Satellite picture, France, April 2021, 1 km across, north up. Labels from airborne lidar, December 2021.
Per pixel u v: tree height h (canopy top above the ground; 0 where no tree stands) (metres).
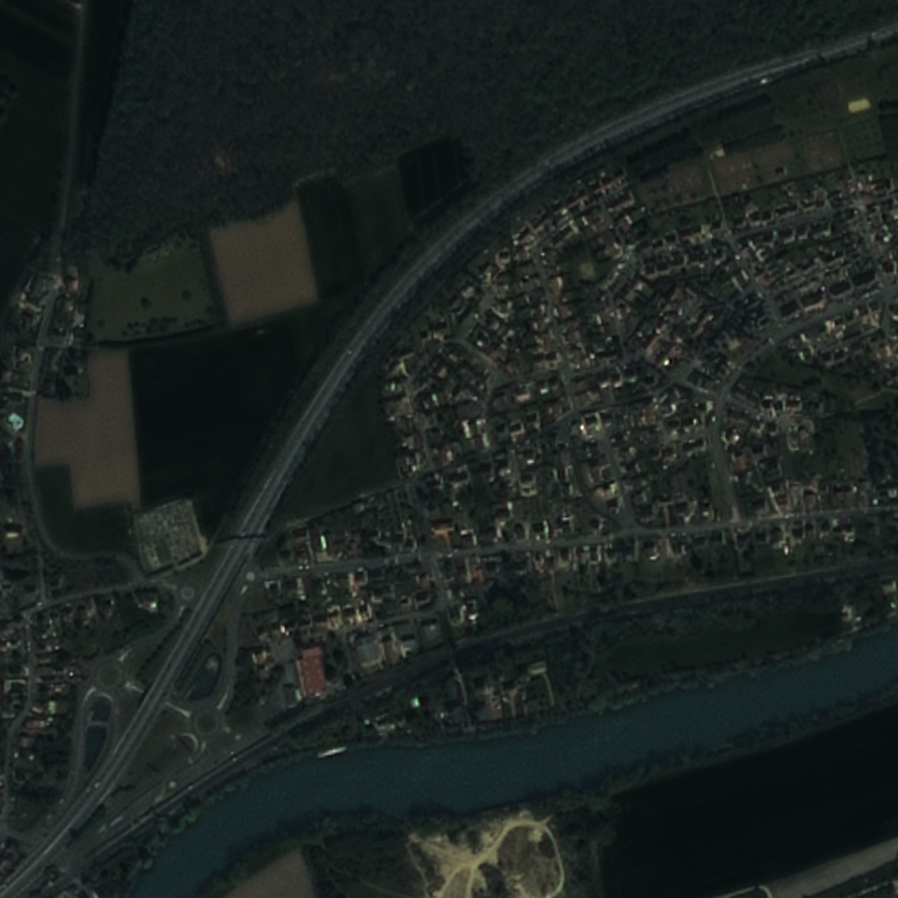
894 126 7
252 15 15
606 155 16
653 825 0
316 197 0
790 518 0
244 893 0
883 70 9
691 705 0
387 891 0
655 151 12
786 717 0
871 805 0
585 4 20
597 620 20
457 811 0
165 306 0
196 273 0
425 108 16
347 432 0
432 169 0
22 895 0
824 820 0
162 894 0
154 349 0
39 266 10
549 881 0
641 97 13
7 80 10
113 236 18
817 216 0
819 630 0
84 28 0
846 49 0
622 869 0
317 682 0
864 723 0
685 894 0
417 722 14
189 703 0
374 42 20
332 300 0
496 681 6
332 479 0
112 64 0
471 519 7
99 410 0
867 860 0
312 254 0
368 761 0
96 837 0
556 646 17
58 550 0
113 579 13
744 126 10
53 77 0
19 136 0
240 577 0
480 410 0
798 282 0
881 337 7
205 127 19
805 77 8
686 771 0
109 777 0
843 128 0
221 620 0
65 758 6
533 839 0
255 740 0
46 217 0
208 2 7
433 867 0
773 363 0
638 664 0
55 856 0
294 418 12
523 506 0
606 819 18
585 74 14
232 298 0
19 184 0
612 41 16
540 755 0
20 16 0
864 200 0
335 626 0
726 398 0
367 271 0
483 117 19
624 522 0
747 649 0
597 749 0
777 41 6
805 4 12
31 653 0
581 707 13
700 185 0
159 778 0
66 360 6
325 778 0
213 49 18
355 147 17
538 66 17
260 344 0
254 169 22
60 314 11
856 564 0
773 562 0
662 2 10
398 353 7
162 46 23
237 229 0
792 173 0
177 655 0
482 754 0
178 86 20
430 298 8
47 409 0
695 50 17
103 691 0
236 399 0
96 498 0
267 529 10
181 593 0
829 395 11
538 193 15
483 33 8
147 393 0
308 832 23
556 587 0
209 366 0
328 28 20
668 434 0
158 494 0
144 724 0
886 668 0
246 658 8
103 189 20
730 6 9
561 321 7
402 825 7
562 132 15
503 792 0
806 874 0
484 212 0
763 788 0
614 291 5
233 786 10
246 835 0
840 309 0
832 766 0
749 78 0
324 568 0
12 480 17
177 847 0
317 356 12
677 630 10
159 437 0
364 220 0
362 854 15
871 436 15
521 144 20
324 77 22
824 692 0
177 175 20
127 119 23
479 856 0
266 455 14
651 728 0
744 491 6
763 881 0
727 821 0
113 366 0
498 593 20
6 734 9
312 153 22
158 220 14
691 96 0
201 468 0
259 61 19
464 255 17
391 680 0
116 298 0
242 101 22
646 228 6
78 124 0
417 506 7
